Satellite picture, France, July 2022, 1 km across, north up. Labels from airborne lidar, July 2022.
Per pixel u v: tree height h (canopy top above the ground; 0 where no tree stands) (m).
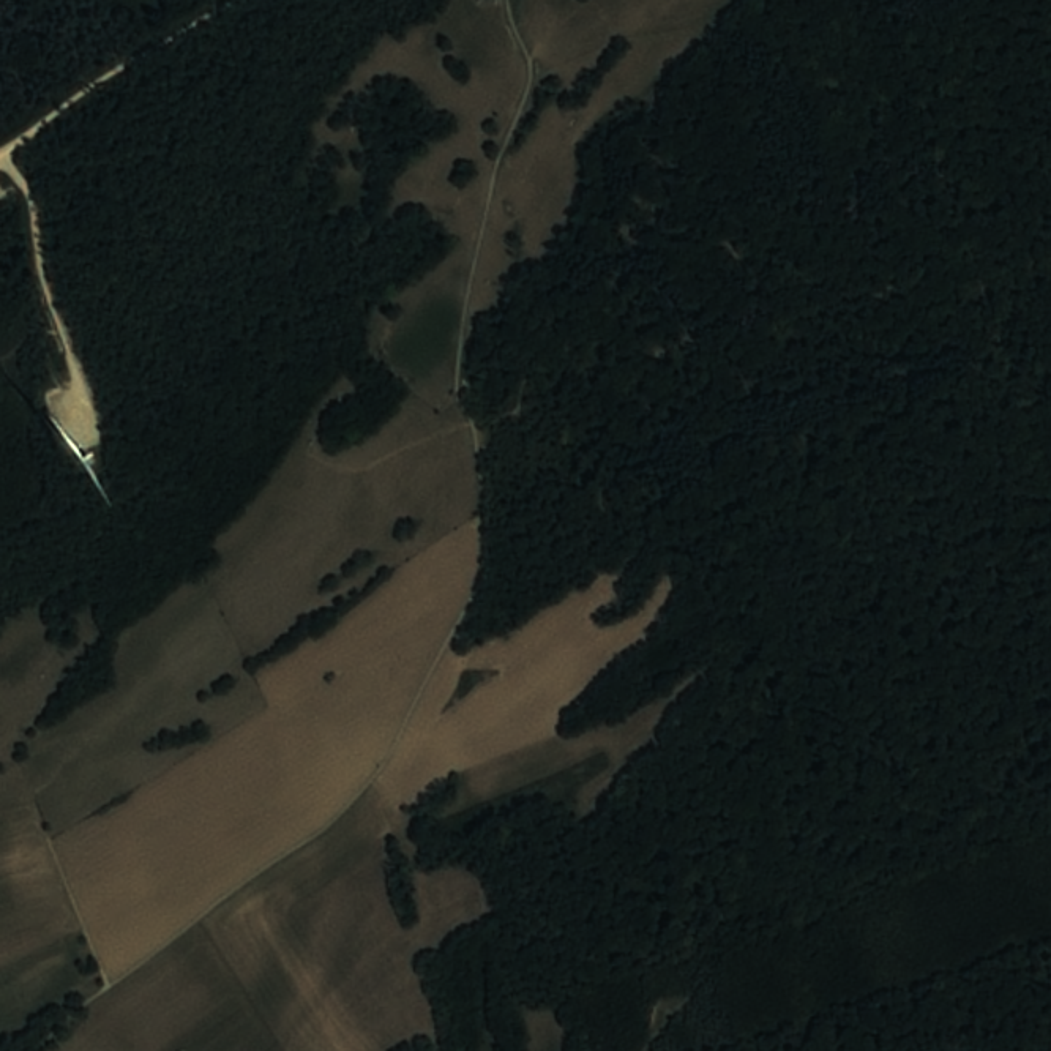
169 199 10
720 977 10
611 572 18
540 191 0
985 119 20
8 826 0
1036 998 24
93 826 0
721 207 23
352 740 0
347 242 21
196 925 0
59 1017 15
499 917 15
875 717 22
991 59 19
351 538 0
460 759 0
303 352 20
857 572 18
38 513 15
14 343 0
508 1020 16
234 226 12
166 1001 0
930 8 23
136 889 0
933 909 10
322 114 16
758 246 20
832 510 23
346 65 19
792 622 21
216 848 0
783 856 21
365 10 16
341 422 18
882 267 22
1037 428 21
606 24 0
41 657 0
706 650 16
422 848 15
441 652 0
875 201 27
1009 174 23
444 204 0
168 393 17
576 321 23
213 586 0
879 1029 24
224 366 25
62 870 0
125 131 17
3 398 6
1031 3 24
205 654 0
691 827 24
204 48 17
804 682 20
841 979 13
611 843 22
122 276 7
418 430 0
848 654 23
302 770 0
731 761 17
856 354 20
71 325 11
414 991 0
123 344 12
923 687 24
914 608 22
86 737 0
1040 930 11
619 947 20
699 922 13
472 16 0
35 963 0
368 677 0
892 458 19
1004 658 14
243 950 0
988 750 18
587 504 20
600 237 22
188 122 15
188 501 15
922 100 18
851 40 22
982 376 7
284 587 0
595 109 0
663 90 19
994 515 21
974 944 10
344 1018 0
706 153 27
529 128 18
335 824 0
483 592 20
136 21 18
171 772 0
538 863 20
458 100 0
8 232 15
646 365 22
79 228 20
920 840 21
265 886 0
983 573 25
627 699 18
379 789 0
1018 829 18
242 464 22
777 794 23
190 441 19
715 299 21
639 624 0
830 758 25
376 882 0
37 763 0
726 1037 7
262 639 0
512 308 23
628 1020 13
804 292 17
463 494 0
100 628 14
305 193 12
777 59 16
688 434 26
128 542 18
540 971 18
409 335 0
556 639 0
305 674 0
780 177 25
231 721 0
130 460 23
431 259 25
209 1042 0
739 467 22
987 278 21
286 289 22
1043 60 18
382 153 21
